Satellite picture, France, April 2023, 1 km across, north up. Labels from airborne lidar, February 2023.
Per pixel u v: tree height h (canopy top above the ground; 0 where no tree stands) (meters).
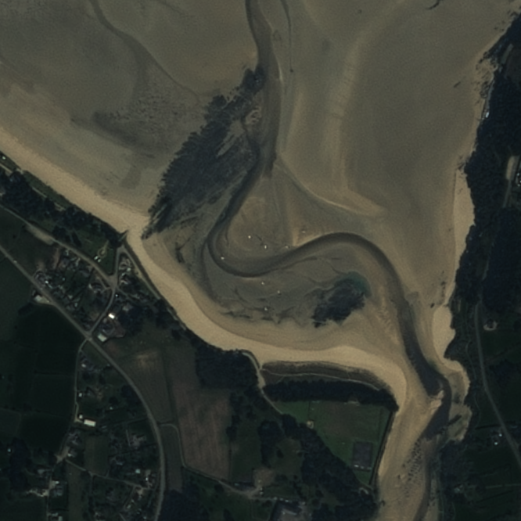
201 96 0
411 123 0
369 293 0
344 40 0
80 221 20
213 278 0
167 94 0
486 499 0
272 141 0
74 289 11
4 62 0
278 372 0
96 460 0
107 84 0
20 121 0
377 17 0
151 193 0
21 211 20
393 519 0
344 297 0
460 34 0
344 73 0
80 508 0
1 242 0
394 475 0
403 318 0
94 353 0
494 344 0
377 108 0
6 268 0
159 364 0
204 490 8
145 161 0
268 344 0
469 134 0
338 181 0
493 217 20
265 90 0
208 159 0
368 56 0
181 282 0
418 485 0
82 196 0
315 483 12
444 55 0
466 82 0
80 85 0
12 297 0
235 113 0
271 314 0
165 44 0
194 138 0
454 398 0
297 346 0
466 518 0
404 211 0
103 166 0
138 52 0
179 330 12
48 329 0
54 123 0
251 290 0
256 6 0
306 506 0
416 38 0
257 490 0
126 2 0
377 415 0
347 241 0
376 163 0
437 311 0
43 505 0
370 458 0
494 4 0
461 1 0
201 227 0
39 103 0
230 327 0
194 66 0
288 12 0
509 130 24
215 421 0
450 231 0
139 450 6
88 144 0
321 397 20
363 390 18
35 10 0
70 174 0
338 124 0
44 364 0
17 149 0
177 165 0
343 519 22
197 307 0
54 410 0
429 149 0
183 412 0
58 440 0
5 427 0
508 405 0
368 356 0
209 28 0
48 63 0
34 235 0
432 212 0
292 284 0
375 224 0
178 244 0
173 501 14
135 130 0
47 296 0
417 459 0
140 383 0
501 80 15
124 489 12
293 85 0
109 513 16
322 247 0
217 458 0
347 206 0
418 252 0
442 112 0
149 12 0
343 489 29
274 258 0
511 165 0
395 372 0
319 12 0
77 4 0
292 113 0
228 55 0
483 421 0
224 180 0
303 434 15
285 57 0
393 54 0
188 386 0
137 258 0
